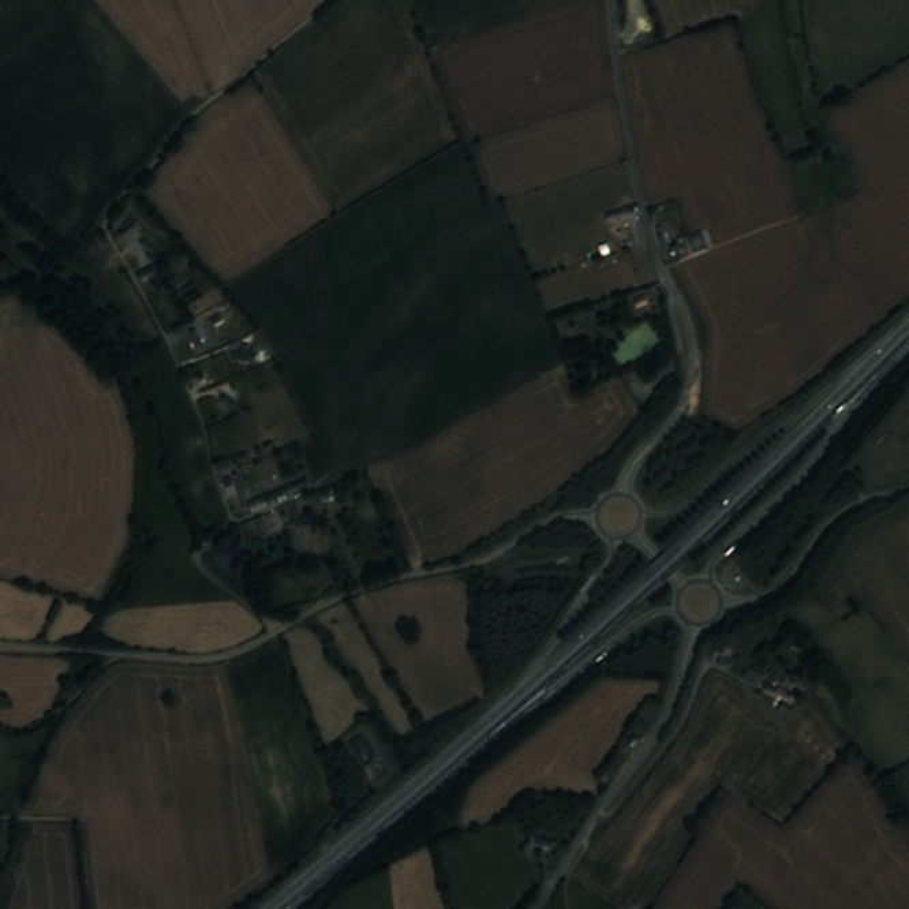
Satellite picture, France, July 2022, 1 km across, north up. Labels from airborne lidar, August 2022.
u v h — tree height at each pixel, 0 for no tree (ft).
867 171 0
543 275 23
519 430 0
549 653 0
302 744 0
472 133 0
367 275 0
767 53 0
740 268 0
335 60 0
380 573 81
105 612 38
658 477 46
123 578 25
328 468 0
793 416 0
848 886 0
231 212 0
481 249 0
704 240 0
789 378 0
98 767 0
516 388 0
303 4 0
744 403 0
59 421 0
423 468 0
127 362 50
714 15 0
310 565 54
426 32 43
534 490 0
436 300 0
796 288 0
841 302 0
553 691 0
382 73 0
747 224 0
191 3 0
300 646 0
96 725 0
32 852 0
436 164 0
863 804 0
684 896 0
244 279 0
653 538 0
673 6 0
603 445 0
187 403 0
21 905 0
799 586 37
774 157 0
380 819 0
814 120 0
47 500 0
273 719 0
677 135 0
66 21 0
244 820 0
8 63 0
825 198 0
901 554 0
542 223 0
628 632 0
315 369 0
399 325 0
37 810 0
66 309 60
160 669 0
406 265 0
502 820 49
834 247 0
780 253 0
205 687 0
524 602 29
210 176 0
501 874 0
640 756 0
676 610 0
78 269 0
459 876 0
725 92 0
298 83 0
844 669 0
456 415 0
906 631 0
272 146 0
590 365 34
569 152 0
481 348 0
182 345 0
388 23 0
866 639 0
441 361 0
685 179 0
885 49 0
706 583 0
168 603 0
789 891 0
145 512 0
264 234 0
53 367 0
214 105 0
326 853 0
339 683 0
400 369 0
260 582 77
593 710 0
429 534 0
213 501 0
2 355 0
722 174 0
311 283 0
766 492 36
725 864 0
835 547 37
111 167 0
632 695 0
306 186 0
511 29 0
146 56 0
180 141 50
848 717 0
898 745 0
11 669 0
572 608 0
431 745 49
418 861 0
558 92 0
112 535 0
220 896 0
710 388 0
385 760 0
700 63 0
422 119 0
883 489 0
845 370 0
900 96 0
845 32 0
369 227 0
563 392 0
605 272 0
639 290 18
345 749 52
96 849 0
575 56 0
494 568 0
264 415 0
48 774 0
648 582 0
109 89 0
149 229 0
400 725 0
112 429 0
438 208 0
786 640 25
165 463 32
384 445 0
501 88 0
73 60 0
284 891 0
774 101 0
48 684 0
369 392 0
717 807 27
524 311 0
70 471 0
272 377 0
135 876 0
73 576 0
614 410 0
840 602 0
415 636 53
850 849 0
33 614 0
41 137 0
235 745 0
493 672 37
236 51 0
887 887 0
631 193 0
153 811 0
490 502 0
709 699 0
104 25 0
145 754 0
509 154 0
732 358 0
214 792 0
